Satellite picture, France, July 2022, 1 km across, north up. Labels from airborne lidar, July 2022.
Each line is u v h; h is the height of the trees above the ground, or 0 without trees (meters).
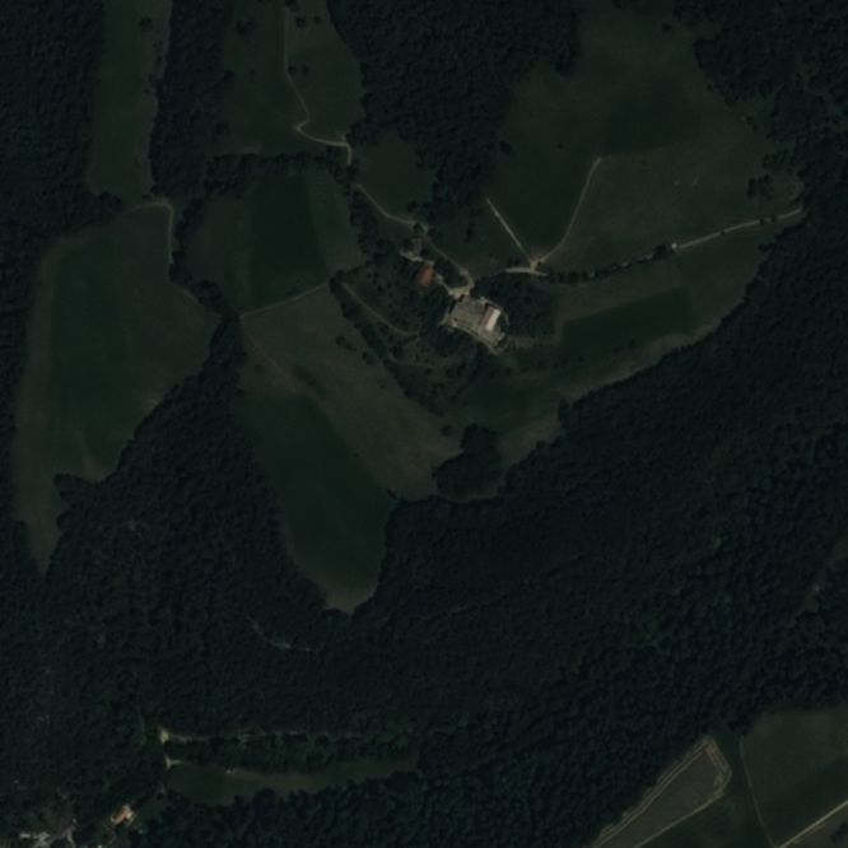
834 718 0
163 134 20
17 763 7
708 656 30
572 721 20
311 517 0
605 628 23
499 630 20
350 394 0
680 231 0
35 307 0
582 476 27
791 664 20
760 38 25
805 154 14
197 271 0
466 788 8
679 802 0
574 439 22
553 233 0
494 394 0
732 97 11
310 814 31
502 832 34
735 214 0
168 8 0
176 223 0
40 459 0
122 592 13
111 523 18
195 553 20
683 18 28
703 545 33
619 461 17
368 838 26
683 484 18
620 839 0
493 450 20
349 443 0
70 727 16
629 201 0
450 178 24
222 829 12
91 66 24
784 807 0
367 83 11
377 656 24
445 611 14
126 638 34
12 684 19
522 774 22
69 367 0
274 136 0
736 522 33
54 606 12
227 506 19
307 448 0
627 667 26
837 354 32
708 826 0
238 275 0
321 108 0
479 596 19
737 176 0
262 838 32
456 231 0
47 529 0
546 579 20
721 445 24
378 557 0
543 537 17
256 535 20
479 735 30
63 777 16
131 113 0
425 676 18
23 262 24
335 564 0
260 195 0
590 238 0
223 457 24
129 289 0
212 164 17
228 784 0
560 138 0
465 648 20
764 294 23
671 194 0
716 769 0
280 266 0
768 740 0
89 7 21
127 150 0
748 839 0
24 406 0
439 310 6
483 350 9
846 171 19
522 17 29
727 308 0
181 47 24
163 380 0
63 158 23
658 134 0
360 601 0
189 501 29
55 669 10
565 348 0
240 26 10
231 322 17
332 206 0
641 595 28
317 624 18
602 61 0
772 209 0
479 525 20
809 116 19
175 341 0
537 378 0
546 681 20
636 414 30
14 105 24
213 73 26
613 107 0
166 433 24
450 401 7
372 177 0
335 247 0
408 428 0
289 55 0
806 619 15
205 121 28
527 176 0
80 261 0
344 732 18
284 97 0
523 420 0
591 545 17
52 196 21
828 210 28
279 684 12
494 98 25
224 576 20
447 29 25
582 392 0
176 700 19
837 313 28
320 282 0
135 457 19
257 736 27
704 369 24
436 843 28
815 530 32
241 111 0
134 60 0
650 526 24
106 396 0
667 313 0
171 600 17
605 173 0
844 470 36
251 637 13
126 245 0
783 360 21
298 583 19
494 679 19
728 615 33
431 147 24
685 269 0
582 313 0
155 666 19
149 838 9
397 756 23
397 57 11
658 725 26
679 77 0
